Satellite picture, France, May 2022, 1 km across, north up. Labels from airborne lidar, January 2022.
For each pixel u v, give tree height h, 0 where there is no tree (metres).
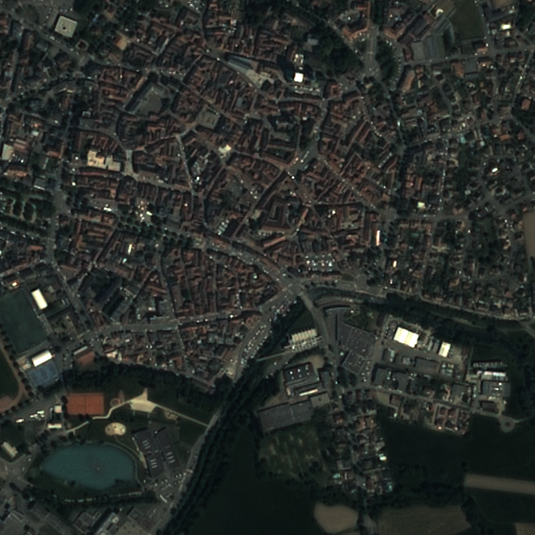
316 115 0
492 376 0
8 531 0
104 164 0
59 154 0
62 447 0
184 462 0
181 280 0
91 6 16
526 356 15
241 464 0
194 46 0
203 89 0
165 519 0
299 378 0
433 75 0
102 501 8
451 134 0
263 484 0
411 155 0
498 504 0
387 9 0
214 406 17
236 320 0
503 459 0
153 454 0
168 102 9
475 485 0
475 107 0
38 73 0
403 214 11
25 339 0
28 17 0
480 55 0
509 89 0
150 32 12
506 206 0
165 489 0
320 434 8
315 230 0
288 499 0
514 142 6
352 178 0
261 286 0
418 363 0
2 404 0
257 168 0
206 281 0
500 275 0
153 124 0
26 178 0
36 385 0
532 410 18
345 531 0
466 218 0
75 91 0
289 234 0
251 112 0
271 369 0
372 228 0
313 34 19
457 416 0
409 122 0
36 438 0
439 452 0
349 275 0
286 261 0
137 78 0
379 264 0
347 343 0
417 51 0
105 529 0
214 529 0
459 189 8
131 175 0
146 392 0
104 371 9
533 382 22
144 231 13
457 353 0
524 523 0
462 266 0
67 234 7
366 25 0
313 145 0
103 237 0
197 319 0
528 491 0
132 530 0
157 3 0
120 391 0
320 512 0
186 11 0
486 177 9
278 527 0
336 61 26
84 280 11
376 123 0
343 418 11
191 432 0
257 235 0
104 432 0
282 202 0
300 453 0
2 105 0
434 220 0
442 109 0
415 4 0
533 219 0
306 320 0
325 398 0
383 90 8
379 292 0
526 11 16
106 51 0
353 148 10
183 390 15
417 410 0
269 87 0
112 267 0
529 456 0
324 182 0
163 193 0
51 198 18
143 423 0
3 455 0
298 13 11
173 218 0
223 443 10
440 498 22
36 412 0
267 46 0
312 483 11
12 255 7
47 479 0
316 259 0
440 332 11
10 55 0
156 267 0
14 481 0
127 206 15
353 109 0
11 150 0
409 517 0
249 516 0
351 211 0
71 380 17
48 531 0
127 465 0
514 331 0
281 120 0
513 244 0
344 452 0
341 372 12
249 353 0
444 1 0
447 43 12
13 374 0
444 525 0
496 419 0
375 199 0
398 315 14
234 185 0
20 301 0
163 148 0
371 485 0
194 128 0
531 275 0
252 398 7
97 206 0
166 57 0
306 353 9
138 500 10
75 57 0
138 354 0
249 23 17
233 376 0
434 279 7
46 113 25
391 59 11
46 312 15
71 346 0
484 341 7
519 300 9
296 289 0
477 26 0
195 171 0
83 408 0
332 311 0
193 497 11
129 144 0
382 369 0
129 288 0
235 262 0
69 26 0
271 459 0
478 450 0
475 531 0
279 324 12
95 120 0
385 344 0
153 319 0
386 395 0
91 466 0
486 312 0
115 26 10
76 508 7
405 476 10
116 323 0
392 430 0
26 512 0
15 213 12
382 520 0
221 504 0
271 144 0
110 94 0
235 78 0
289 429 14
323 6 0
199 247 0
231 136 0
